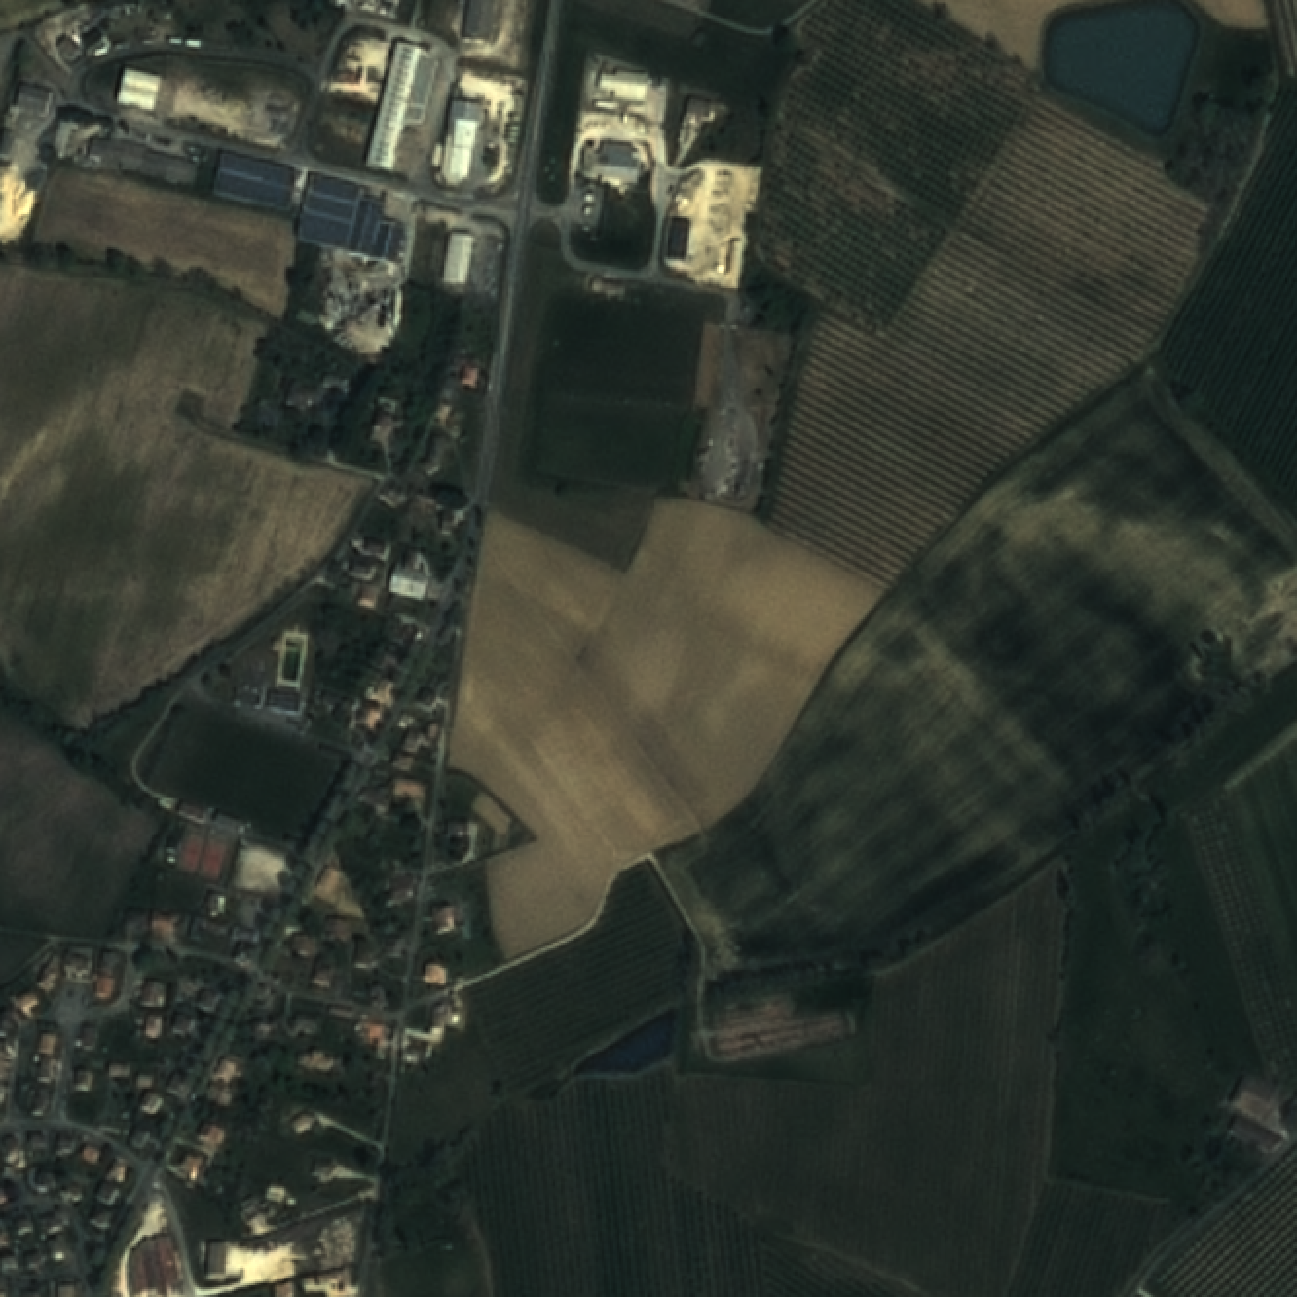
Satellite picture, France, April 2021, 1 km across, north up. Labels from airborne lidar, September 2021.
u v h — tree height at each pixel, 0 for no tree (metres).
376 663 6
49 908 0
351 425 20
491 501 0
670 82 0
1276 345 7
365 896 9
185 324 0
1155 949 17
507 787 0
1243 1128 0
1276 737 0
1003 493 0
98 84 0
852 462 6
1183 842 0
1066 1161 0
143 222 0
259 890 0
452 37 0
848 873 0
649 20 0
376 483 0
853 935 0
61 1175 10
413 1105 0
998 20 0
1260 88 21
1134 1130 0
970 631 0
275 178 0
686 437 0
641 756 0
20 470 0
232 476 0
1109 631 0
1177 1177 0
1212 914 0
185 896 0
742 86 0
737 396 0
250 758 0
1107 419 0
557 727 0
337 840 17
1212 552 0
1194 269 0
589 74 0
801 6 0
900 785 0
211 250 0
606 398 0
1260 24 0
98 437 0
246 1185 7
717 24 0
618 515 0
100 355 0
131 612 0
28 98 0
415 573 0
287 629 0
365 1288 0
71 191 0
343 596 6
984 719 0
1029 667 0
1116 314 6
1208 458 0
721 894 0
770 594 0
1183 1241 0
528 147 0
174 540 0
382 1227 22
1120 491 0
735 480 0
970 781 0
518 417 0
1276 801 0
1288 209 6
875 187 0
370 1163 21
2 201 0
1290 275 6
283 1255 0
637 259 0
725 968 0
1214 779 0
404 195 0
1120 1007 0
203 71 0
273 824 0
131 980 0
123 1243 17
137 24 0
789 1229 0
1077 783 0
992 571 0
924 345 6
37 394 0
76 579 0
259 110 0
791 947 0
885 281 6
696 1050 0
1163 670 0
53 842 0
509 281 0
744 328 0
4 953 0
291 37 0
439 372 17
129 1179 9
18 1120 0
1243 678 0
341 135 0
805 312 7
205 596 0
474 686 0
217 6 0
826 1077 0
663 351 0
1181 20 0
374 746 15
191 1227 0
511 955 0
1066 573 0
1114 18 0
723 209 0
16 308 0
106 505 0
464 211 0
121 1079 7
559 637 0
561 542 0
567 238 0
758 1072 0
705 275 0
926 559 0
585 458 0
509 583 0
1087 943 0
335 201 0
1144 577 0
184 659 0
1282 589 0
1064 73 0
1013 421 5
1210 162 14
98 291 0
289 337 8
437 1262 0
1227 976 0
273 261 0
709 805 0
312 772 0
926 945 10
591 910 0
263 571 0
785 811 0
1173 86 0
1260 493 0
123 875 0
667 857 0
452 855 7
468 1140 6
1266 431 6
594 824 0
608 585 0
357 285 0
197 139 0
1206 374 7
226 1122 9
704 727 0
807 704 0
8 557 0
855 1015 0
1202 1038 0
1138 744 0
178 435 0
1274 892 0
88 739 10
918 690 0
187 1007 9
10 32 0
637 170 0
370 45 0
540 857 0
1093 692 0
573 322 0
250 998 18
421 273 0
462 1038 0
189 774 0
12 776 0
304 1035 8
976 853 0
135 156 0
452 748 0
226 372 0
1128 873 6
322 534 0
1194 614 0
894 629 0
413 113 0
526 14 0
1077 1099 0
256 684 0
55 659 0
